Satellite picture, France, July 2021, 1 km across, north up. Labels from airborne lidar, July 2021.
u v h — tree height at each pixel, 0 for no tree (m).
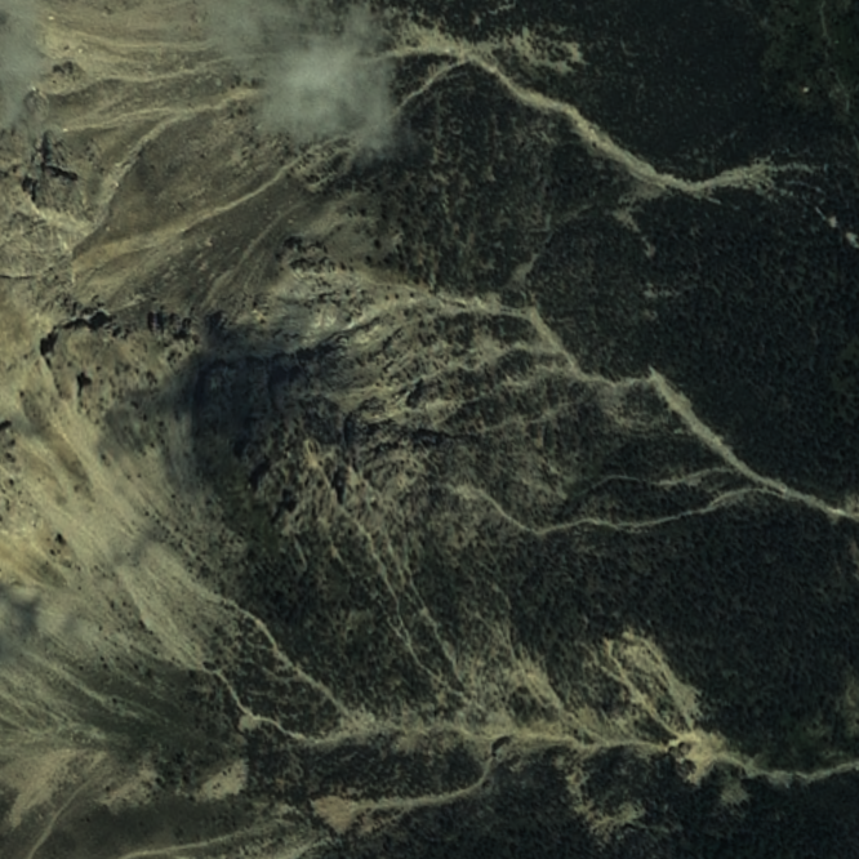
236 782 0
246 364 0
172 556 0
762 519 7
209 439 0
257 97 0
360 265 0
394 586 0
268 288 0
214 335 0
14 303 0
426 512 10
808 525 10
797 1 0
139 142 0
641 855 11
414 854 10
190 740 0
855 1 8
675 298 8
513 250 7
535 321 0
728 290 15
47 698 0
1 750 0
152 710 0
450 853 15
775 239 6
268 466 6
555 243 6
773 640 13
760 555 17
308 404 8
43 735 0
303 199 0
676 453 9
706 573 18
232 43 0
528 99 0
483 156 6
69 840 0
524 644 7
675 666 9
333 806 0
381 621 7
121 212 0
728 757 0
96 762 0
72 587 0
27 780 0
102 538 0
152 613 0
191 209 0
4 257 0
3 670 0
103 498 0
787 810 13
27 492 0
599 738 0
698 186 0
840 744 8
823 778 0
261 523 0
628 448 12
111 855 0
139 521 0
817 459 10
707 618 13
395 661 6
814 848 15
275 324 0
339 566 7
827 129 6
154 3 0
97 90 0
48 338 0
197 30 0
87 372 0
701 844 22
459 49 0
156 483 0
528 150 7
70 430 0
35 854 0
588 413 12
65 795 0
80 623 0
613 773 6
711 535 18
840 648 15
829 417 8
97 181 0
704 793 15
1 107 0
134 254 0
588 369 5
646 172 0
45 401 0
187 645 0
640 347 8
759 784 11
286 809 0
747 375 7
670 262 11
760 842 21
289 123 0
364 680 12
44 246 0
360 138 0
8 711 0
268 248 0
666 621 13
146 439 0
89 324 0
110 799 0
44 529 0
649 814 11
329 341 0
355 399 0
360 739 0
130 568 0
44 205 0
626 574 14
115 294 0
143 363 0
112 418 0
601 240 7
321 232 0
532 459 0
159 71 0
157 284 0
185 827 0
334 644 6
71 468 0
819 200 9
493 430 8
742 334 15
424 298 0
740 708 17
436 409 0
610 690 6
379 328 0
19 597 0
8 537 0
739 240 16
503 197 7
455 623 10
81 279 0
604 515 6
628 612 12
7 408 0
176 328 11
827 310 10
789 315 16
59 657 0
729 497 0
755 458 6
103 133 0
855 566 12
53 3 0
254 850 0
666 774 8
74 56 0
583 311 9
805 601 15
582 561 8
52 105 0
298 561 7
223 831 0
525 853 6
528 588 10
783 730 10
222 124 0
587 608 14
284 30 0
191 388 0
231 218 0
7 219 0
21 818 0
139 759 0
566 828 13
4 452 0
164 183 0
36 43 0
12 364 0
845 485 14
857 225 12
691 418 0
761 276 18
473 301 0
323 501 7
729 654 13
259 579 11
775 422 5
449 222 7
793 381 8
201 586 0
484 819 6
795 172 9
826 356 14
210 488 0
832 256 13
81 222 0
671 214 7
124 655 0
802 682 14
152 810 0
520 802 6
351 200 0
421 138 6
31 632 0
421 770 6
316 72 0
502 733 0
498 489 7
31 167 0
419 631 6
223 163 0
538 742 0
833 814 6
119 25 0
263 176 0
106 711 0
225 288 0
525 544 13
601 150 0
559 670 7
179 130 0
